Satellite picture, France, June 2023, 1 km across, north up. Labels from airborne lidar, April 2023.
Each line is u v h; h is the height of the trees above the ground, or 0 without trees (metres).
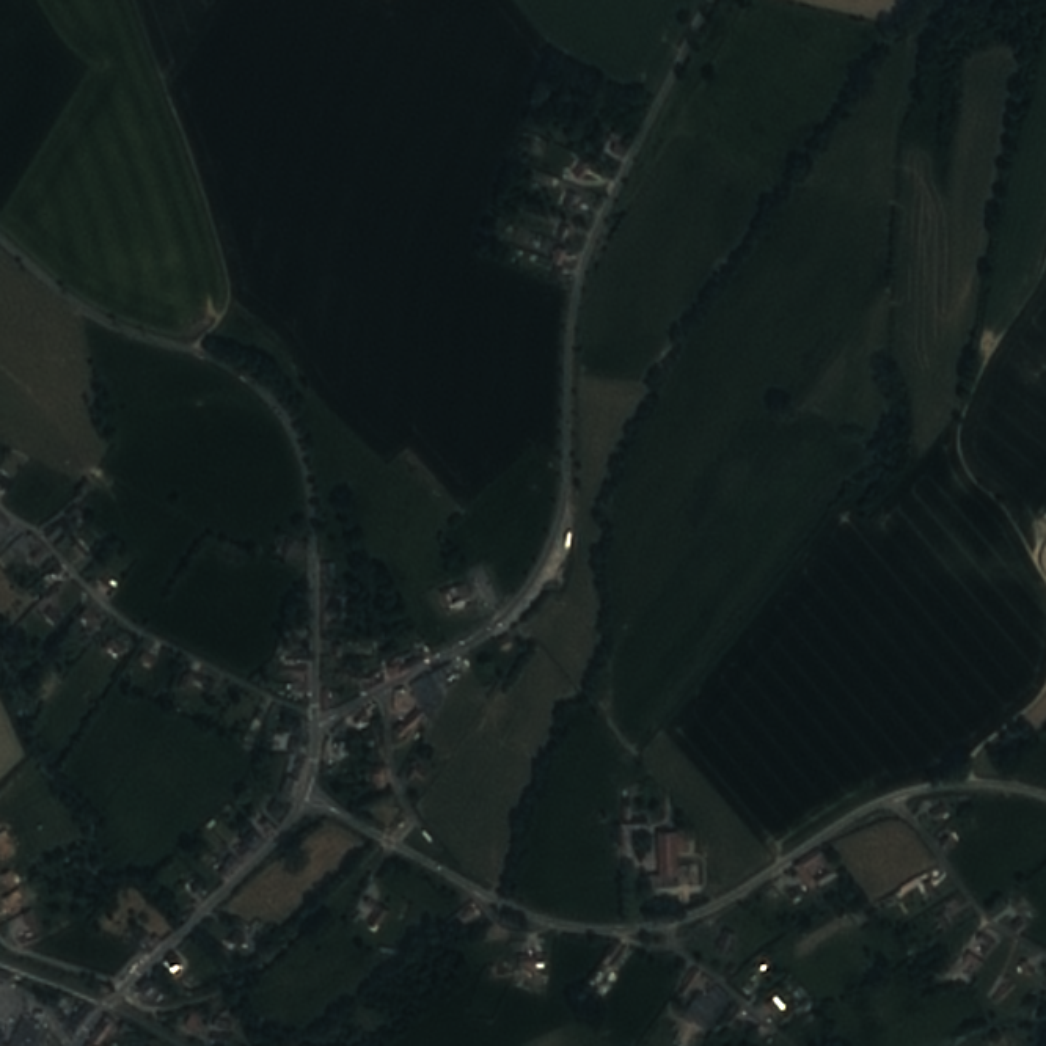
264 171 0
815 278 0
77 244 0
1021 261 0
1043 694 0
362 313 0
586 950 0
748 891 0
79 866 11
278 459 0
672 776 0
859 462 0
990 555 0
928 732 0
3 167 0
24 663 7
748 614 0
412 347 0
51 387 0
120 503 0
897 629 0
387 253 0
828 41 0
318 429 0
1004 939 0
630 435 12
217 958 19
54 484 0
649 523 0
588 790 0
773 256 0
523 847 12
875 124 0
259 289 0
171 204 0
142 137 0
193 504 0
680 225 0
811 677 0
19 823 0
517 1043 0
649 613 0
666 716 0
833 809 0
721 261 0
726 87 0
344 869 15
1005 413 0
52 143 0
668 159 0
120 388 0
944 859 0
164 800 0
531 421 0
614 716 0
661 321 0
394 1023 14
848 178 0
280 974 0
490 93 0
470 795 0
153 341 0
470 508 0
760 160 0
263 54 0
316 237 0
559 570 0
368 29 0
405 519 0
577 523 0
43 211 0
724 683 0
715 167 0
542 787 16
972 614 0
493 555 0
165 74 0
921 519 0
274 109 0
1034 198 0
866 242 0
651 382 10
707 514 0
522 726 0
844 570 0
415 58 0
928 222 0
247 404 0
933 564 0
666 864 0
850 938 0
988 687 0
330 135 0
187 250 0
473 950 0
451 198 0
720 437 0
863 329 0
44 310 0
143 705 0
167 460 0
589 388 0
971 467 0
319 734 0
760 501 0
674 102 0
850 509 0
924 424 0
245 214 0
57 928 0
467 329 0
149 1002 0
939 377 0
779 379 0
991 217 20
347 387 0
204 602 0
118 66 0
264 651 0
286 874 0
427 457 0
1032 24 21
